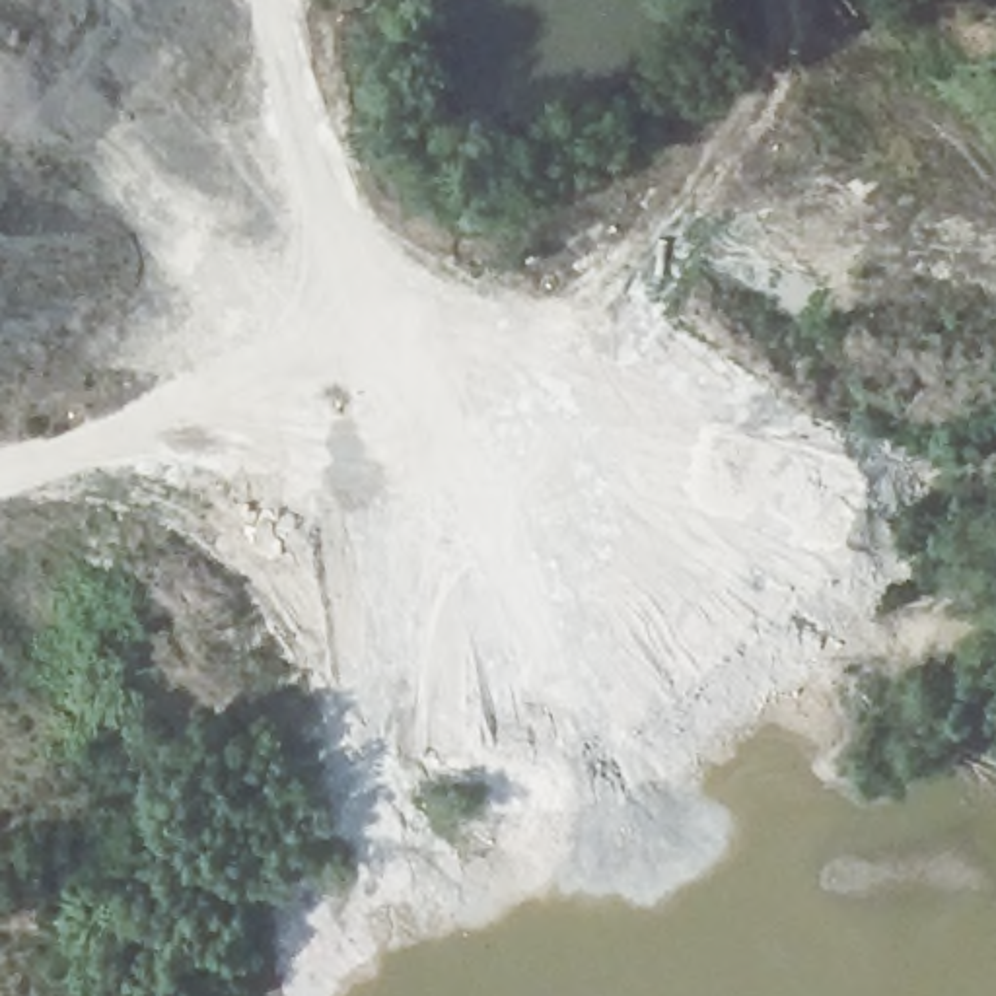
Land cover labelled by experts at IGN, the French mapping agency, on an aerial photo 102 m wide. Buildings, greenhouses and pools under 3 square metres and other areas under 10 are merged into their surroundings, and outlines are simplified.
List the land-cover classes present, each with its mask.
<instances>
[{"label":"pervious surface","instance_id":"1","mask_svg":"<svg viewBox=\"0 0 996 996\"><path fill-rule=\"evenodd\" d=\"M342 27V16L319 12L307 0H0V136L31 148H54L58 140H70L74 156L97 171L101 195L140 230V241L148 249V272L144 288L132 300L128 338L105 323L86 346L93 370H136L148 393L62 436L0 444V498H78L82 506H101L117 514L156 506L163 529L183 533L191 545H198L202 552L218 556L226 568L249 580L253 607L261 611L253 642L265 646L272 638L284 661L303 665L311 673V689L323 700L315 739L323 743L319 763L327 770V790L335 798L331 805H323L327 836L358 844V875L350 891L323 895L315 903V910L307 914L311 942L296 953L284 988L268 996H338L350 988V980L377 973V953L416 945L424 938H444L459 926H486L533 895H619L634 907H654L677 887L700 879L728 852L731 836L728 809L704 798V770L712 763L731 759L735 739H747L755 724H782L805 735L817 759L833 755L840 763L844 755L856 739V712L868 704V685L875 673L895 677L918 665L926 654H949L961 638L977 634L965 619H945L949 595L914 599L903 615L891 619L875 615L879 595L910 576L907 556H899L895 549L891 514L899 506H914L934 490L938 467L868 432H840L833 420H813V401L782 385L766 358L751 346V338H731L720 315H712L708 300H689L685 311L665 319V307L650 300V292L661 280V261L673 265V257H685L689 265H712L743 288L774 296L782 311H801L813 292H833L836 307H852V268L864 261L883 265V272H895L903 280L938 276L953 288H996V230L988 222L938 218L922 210L910 222L907 237L891 241L883 206L887 198L868 191V183L860 179L848 183L844 175H809L801 195L763 198L755 179L743 175L747 152L774 125L782 101L790 97V78L782 70L825 66L833 51L856 39L868 23L860 12H852V0H751L739 39L763 51L778 82L770 93L739 97L731 113L708 132L681 195L669 202L665 214L650 222V230L623 233L615 226L595 222L587 230L568 233L564 253L537 257H525L521 272L471 276L451 261V237L432 218H401L397 202L377 198L370 206L358 195L354 163L350 148L342 144L346 86L335 54V31ZM463 770H486V809L479 817H467L455 840L447 844L412 805V790L420 782H436L440 774ZM953 31L969 51L988 54L996 47V0H969L953 19ZM74 210L62 202L23 195L12 183V167L0 163V237L58 233ZM152 603L163 607L171 619L210 611L214 599L198 595L191 580L175 591H156Z\"/></svg>","mask_w":996,"mask_h":996},{"label":"herbaceous vegetation","instance_id":"2","mask_svg":"<svg viewBox=\"0 0 996 996\"><path fill-rule=\"evenodd\" d=\"M969 58V51L953 31V19H938L899 35L868 23L856 39L833 51L825 66L782 70L790 78V97L782 101L774 125L747 152L743 175L755 179L763 198L801 195L809 175H844L848 183L860 179L868 183V191L887 198L883 206L891 241L907 237L910 222L922 210L938 218L988 222L996 230V148L980 152L973 125L957 109L938 101V82L953 78V66ZM708 132L696 121L654 117L650 128L626 152L623 167L630 179L591 195L599 210L595 222L615 226L623 233L650 230V222L665 214L669 202L681 195ZM0 163L12 167V183L23 195L62 202L74 210L58 233L0 237V444L62 436L148 393L136 370H93L86 346L105 323L128 338L132 300L144 288L148 272V249L140 241V230L101 195L97 171L74 156L70 140H58L54 148H31L0 136ZM358 195L370 206L377 198L397 202L401 187L409 183L405 175L389 171L377 160L354 163ZM537 222L529 218L482 222L467 214L459 222H447L444 230L451 237V261L471 276L521 272L525 257H537L529 237ZM852 307H836L833 292H813L801 311H782L774 296L743 288L712 265H689L685 257H673V265L661 261V280L650 292V300L665 307V319L685 311L689 300H708L712 315H720L731 338H751V346L766 358L782 385L813 401V420H833L840 432H868V409H887L899 420L934 424L965 416L973 409H988L996 401V288H953L938 276L903 280L895 272H883V265L864 261L852 268ZM54 529H78V537L89 549V564L136 576L132 611L144 626L140 642L105 630L93 650L97 658L121 661L125 693H136L144 700V724L167 743L187 724H198L206 708L226 712L237 696H261L288 685L311 689V673L303 665L284 661L272 638L265 646L253 642L261 611L253 607L249 580L226 568L218 556L202 552L198 545H191L183 533L163 529L156 506L117 514L101 506H82L78 498H0V552L47 541ZM191 580L198 595L214 599L210 611L171 619L163 607L152 603L156 591H175ZM51 763L47 755L27 751L23 735L8 724V712L0 708V809L12 798H27ZM66 957L54 949V918H35L23 910L16 918H0V996H62Z\"/></svg>","mask_w":996,"mask_h":996},{"label":"brushwood","instance_id":"3","mask_svg":"<svg viewBox=\"0 0 996 996\"><path fill-rule=\"evenodd\" d=\"M319 12L342 16V27L335 31V54L346 86L342 144L350 148L354 163L377 160L389 171L405 175L409 183L401 187L397 202L401 218H432L444 230L447 222H459L467 214L482 222L529 218L537 222L529 237L537 257L564 253L568 233L587 230L595 222L599 210L591 195L630 179L623 167L626 152L650 128L654 117L696 121L708 132L731 113L739 97L770 93L778 82L763 51L739 39L751 0H642L650 16V39L642 47L630 86L619 89L607 105H580L564 113L560 105H545L541 117L514 140L490 128L482 132V125H444L436 101L447 89V78L440 62L428 54V0H307ZM938 101L957 109L973 125L980 152L996 148V47L988 54L969 51V58L953 66V78L938 82ZM938 467L934 490L914 506H899L891 514L895 549L899 556H907L910 576L879 595L875 615L891 619L903 615L914 599L949 595L945 619H965L977 634L961 638L949 654H926L918 665L895 677L875 673L868 685V704L856 712V739L844 755L856 766L860 794L883 801L918 790L922 778L969 766L977 763V755L996 759V401L988 409H973L965 416L934 424L899 420L887 409H868V432ZM89 549L78 537V529H54L47 541L0 552V708L8 712V724L23 735L27 751L47 755L51 763L78 766L86 743L97 739V728H109L140 763L144 778L152 766L167 763V743L144 724V700L136 693H125L121 661L97 658L93 650L105 630L140 642L144 626L132 611L136 576L89 564ZM412 805L447 844L455 840L467 817H479L486 809V770H463L440 774L436 782H420L412 790Z\"/></svg>","mask_w":996,"mask_h":996},{"label":"water","instance_id":"4","mask_svg":"<svg viewBox=\"0 0 996 996\"><path fill-rule=\"evenodd\" d=\"M428 54L440 62L447 78V89L436 101L444 125H482V132L490 128L514 140L541 117L545 105H560L564 113L580 105H607L619 89L630 86L642 47L650 39V16L642 0H428ZM704 798L728 809L731 836L728 852L700 879L677 887L654 907H634L619 895H533L486 926H459L444 938H424L416 945L377 953V973L350 980V988L338 996H996V759L977 755V763L969 766L922 778L918 790L883 801L860 794L856 766L844 755L840 763L833 755L817 759L805 735L782 724H755L747 739H735L731 759L712 763L704 770Z\"/></svg>","mask_w":996,"mask_h":996},{"label":"deciduous trees","instance_id":"5","mask_svg":"<svg viewBox=\"0 0 996 996\"><path fill-rule=\"evenodd\" d=\"M969 0H852V12H860L868 23L899 35L938 19H953ZM323 700L311 689L288 685L261 696H237L226 712L206 708L198 724H187L167 743V763L152 766L144 778L140 763L109 728H97V739L86 743L78 766L51 763L27 798H12L0 809V918H16L23 910L35 918H54V949L66 957L62 996H268L284 988L296 953L311 942L307 914L315 910V903L323 895L350 891L358 875V844L327 836L323 805H331L335 798L327 790V770L319 763L323 743L315 739Z\"/></svg>","mask_w":996,"mask_h":996}]
</instances>
